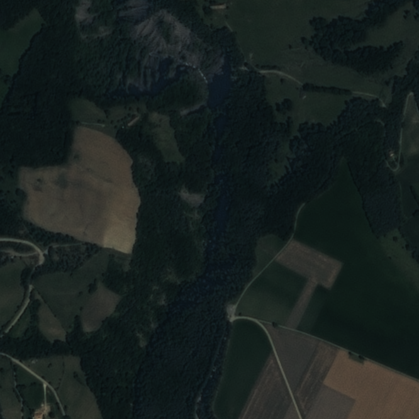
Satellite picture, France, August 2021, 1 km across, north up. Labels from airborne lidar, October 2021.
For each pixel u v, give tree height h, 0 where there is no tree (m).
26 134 23
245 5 0
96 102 18
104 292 0
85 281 0
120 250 0
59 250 8
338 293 0
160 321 23
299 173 30
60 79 23
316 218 0
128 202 0
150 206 11
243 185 24
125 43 11
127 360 21
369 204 20
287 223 22
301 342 0
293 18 0
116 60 15
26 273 10
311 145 29
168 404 18
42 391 0
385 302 0
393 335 0
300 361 0
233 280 10
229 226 14
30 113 7
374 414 0
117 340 10
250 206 20
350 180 0
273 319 0
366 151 13
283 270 0
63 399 0
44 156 23
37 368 0
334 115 0
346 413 0
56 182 0
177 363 21
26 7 20
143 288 17
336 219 0
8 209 9
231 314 0
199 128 24
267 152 23
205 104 0
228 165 23
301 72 0
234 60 13
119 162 0
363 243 0
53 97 21
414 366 0
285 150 0
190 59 0
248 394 0
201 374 17
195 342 20
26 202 0
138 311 15
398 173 0
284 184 24
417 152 0
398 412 0
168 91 14
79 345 21
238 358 0
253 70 7
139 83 0
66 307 0
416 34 0
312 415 0
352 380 0
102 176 0
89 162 0
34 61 25
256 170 24
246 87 19
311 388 0
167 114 8
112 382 22
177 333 15
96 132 0
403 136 0
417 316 0
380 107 13
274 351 0
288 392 0
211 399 18
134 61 15
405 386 0
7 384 0
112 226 0
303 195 21
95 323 0
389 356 0
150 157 7
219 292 13
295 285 0
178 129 15
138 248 11
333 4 0
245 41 0
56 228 0
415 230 0
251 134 32
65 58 22
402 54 0
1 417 14
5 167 16
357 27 24
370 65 12
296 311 0
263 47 0
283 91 0
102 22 7
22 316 7
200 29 17
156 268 11
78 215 0
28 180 0
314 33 0
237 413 0
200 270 6
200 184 15
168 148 0
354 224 0
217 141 9
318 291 0
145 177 6
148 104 12
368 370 0
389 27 0
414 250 11
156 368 22
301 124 9
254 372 0
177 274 8
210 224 11
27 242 0
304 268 0
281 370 0
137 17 0
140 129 15
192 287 21
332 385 0
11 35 0
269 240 0
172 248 15
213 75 0
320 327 0
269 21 0
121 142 9
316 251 0
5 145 25
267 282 0
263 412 0
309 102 0
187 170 14
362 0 0
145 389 22
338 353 0
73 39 19
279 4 0
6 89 0
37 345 28
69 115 19
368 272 0
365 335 0
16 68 0
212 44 17
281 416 0
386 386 0
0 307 0
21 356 18
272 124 12
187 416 16
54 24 16
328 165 25
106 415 20
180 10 13
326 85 0
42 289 0
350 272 0
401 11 0
